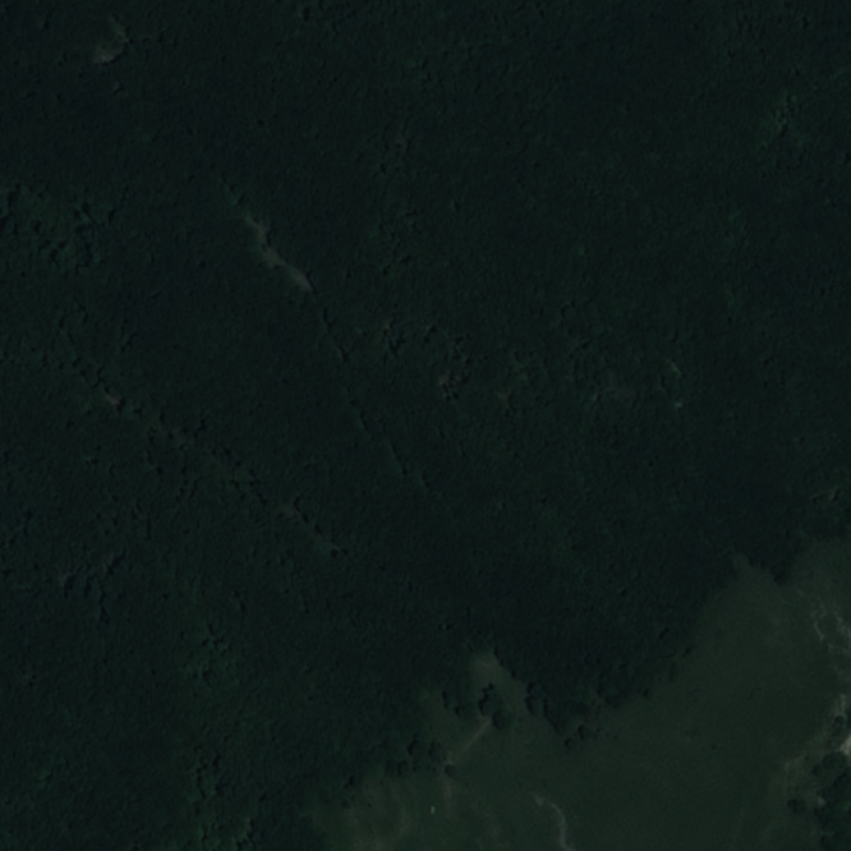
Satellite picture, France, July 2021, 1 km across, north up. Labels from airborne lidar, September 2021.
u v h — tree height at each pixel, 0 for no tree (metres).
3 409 27
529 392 12
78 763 17
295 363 25
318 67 26
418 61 14
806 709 0
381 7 21
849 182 21
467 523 22
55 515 26
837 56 21
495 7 25
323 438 25
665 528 14
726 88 20
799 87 26
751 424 15
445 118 18
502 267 16
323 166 26
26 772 23
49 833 22
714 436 16
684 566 20
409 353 28
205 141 25
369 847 0
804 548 12
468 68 16
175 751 17
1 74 26
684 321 19
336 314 21
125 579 25
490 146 20
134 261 23
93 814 18
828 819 15
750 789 0
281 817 18
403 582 19
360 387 24
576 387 9
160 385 27
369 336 22
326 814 0
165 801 16
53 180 24
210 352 26
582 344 6
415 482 23
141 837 16
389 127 17
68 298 26
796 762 0
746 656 0
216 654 28
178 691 22
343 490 20
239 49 24
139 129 26
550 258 16
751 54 22
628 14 20
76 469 25
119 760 17
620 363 16
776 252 19
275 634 18
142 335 24
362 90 22
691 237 17
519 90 17
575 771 0
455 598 22
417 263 24
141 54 27
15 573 26
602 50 15
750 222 17
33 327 26
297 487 21
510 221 17
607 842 0
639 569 22
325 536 21
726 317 19
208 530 26
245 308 21
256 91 26
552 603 23
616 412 11
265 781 21
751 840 0
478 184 20
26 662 20
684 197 20
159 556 26
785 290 19
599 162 21
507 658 22
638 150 18
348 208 25
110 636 22
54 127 26
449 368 27
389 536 21
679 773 0
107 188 26
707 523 13
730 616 0
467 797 0
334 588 28
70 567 26
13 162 26
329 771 22
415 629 23
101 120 24
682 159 17
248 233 26
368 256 26
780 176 20
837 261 18
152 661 21
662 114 18
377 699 21
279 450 25
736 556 12
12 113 25
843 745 0
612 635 21
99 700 16
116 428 29
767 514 17
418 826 0
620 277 20
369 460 27
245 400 24
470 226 17
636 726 0
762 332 21
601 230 26
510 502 28
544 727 0
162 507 28
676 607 22
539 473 24
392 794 0
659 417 8
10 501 23
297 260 21
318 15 17
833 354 14
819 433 12
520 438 27
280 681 21
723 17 29
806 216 20
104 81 26
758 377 22
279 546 23
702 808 0
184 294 26
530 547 22
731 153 15
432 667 24
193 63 21
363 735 22
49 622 21
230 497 19
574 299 13
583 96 15
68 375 23
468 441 27
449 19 25
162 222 24
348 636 21
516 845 0
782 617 0
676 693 0
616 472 16
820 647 0
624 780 0
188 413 26
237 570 21
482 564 23
